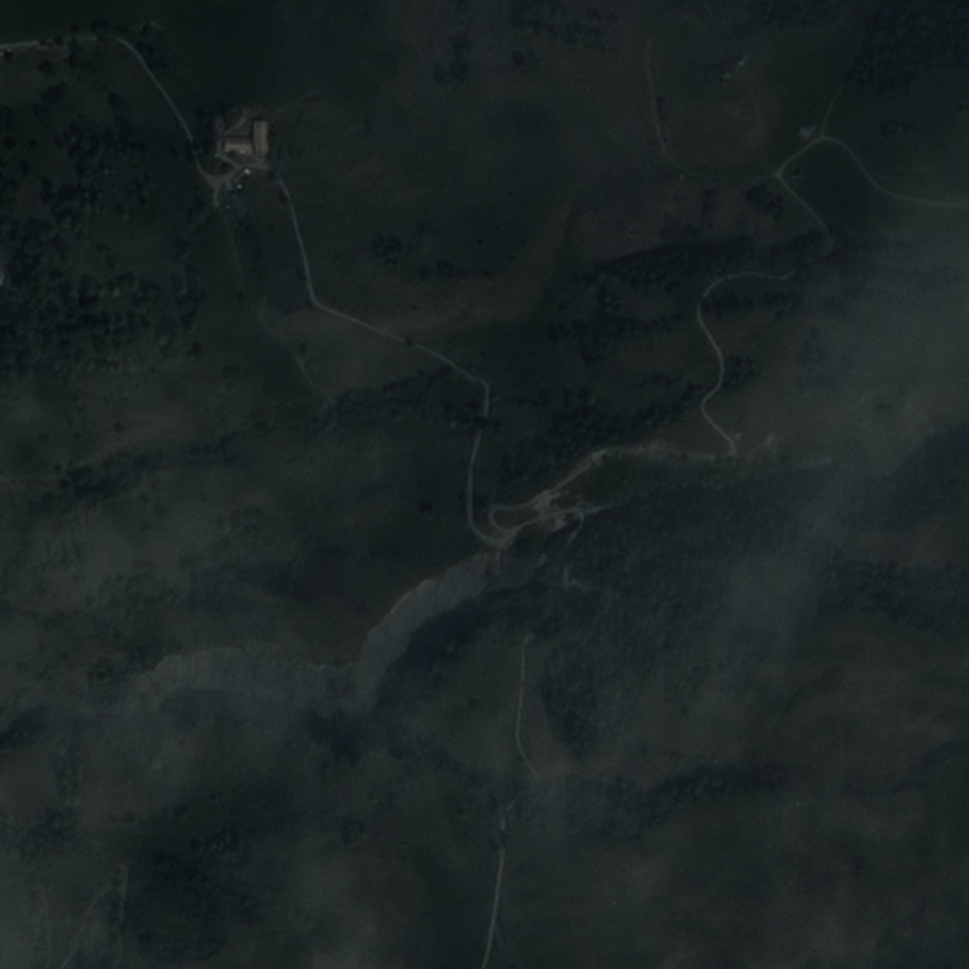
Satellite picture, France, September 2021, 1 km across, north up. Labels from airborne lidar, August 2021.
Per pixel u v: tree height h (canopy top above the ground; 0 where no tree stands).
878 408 8
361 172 0
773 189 0
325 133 0
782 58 0
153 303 13
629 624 12
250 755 0
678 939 0
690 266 11
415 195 0
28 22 0
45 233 13
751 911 0
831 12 10
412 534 0
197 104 0
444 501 0
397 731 12
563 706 14
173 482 0
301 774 0
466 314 0
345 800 0
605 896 0
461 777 13
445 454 0
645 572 6
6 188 18
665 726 0
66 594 0
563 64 0
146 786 0
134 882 0
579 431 11
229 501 0
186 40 0
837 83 0
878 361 0
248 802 0
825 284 0
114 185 0
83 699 0
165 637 0
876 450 0
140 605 9
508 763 0
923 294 7
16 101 0
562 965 0
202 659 0
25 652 0
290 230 0
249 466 0
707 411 0
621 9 0
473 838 0
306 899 0
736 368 8
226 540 0
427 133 0
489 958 0
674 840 0
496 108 0
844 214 0
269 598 13
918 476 6
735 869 0
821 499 11
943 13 13
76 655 0
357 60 0
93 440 0
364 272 0
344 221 0
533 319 0
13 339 21
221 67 0
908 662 0
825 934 0
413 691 0
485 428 12
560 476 0
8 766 0
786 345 0
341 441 0
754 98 0
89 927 6
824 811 0
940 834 0
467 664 0
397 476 0
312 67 0
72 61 12
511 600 12
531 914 0
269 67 0
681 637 14
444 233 0
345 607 0
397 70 0
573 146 0
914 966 0
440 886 0
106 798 0
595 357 8
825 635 0
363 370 0
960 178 0
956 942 0
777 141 0
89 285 11
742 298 0
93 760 0
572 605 11
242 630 12
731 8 0
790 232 0
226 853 13
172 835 0
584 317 0
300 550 0
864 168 0
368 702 0
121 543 0
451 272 11
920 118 0
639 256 14
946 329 0
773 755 0
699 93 0
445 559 0
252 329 0
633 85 0
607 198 0
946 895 0
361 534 0
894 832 0
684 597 16
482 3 0
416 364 0
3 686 0
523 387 0
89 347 0
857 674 0
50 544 11
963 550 0
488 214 0
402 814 0
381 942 0
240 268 0
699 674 11
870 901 0
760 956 0
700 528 13
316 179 0
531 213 0
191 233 0
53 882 0
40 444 7
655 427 8
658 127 0
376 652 0
